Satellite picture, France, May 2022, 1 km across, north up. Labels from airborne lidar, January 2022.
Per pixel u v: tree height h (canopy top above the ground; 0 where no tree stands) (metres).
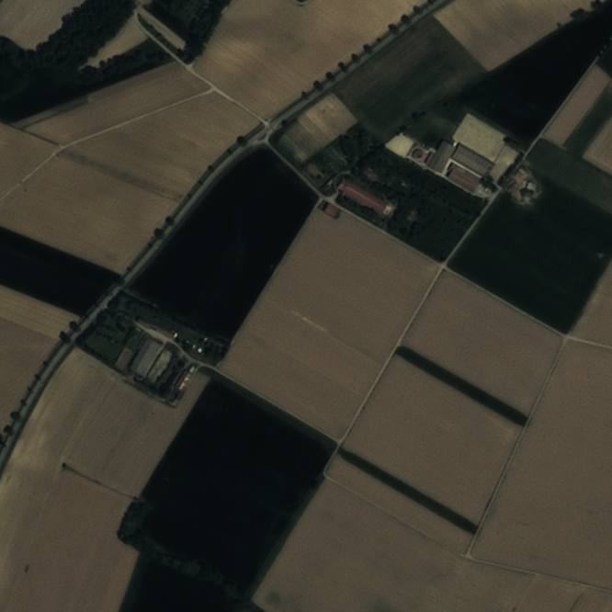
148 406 0
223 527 0
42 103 0
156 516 0
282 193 0
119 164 0
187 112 0
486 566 0
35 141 0
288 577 0
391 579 0
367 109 0
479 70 0
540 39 0
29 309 0
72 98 0
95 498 0
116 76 0
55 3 0
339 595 0
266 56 0
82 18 21
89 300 0
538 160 0
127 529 10
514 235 0
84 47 24
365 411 0
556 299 0
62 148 0
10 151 0
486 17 0
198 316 0
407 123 0
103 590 0
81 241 0
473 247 0
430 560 0
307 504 0
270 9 0
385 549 0
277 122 0
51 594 0
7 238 0
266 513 0
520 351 0
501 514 0
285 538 0
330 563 0
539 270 0
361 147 7
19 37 0
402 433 0
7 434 12
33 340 0
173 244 0
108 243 0
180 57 14
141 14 0
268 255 0
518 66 0
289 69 0
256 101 0
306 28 0
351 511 0
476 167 0
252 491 0
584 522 0
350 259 0
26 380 0
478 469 0
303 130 0
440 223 0
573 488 0
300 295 0
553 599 0
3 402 0
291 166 0
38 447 0
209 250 0
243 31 0
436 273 0
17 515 0
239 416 0
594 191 0
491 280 0
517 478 0
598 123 0
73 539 0
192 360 0
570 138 0
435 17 0
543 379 0
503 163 0
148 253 0
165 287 0
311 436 0
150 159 0
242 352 0
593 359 0
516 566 0
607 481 0
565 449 0
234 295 0
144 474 0
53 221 0
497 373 0
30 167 0
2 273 0
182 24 0
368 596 0
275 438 0
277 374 0
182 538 0
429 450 0
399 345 0
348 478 0
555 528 0
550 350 0
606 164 0
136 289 0
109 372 0
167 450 0
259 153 0
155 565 0
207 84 0
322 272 0
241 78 0
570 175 0
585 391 0
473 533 0
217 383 0
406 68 0
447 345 0
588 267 0
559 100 0
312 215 0
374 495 0
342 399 0
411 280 0
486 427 0
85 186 0
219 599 0
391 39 0
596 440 0
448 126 0
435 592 0
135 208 0
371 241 0
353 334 0
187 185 0
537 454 0
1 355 0
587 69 0
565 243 0
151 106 0
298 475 0
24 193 0
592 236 0
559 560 0
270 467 0
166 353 0
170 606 0
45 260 0
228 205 0
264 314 0
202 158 0
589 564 0
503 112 0
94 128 0
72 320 0
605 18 0
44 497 0
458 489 0
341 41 0
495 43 0
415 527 0
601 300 0
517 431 0
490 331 0
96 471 0
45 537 0
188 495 0
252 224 0
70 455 0
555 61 0
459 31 0
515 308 0
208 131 0
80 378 0
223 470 0
